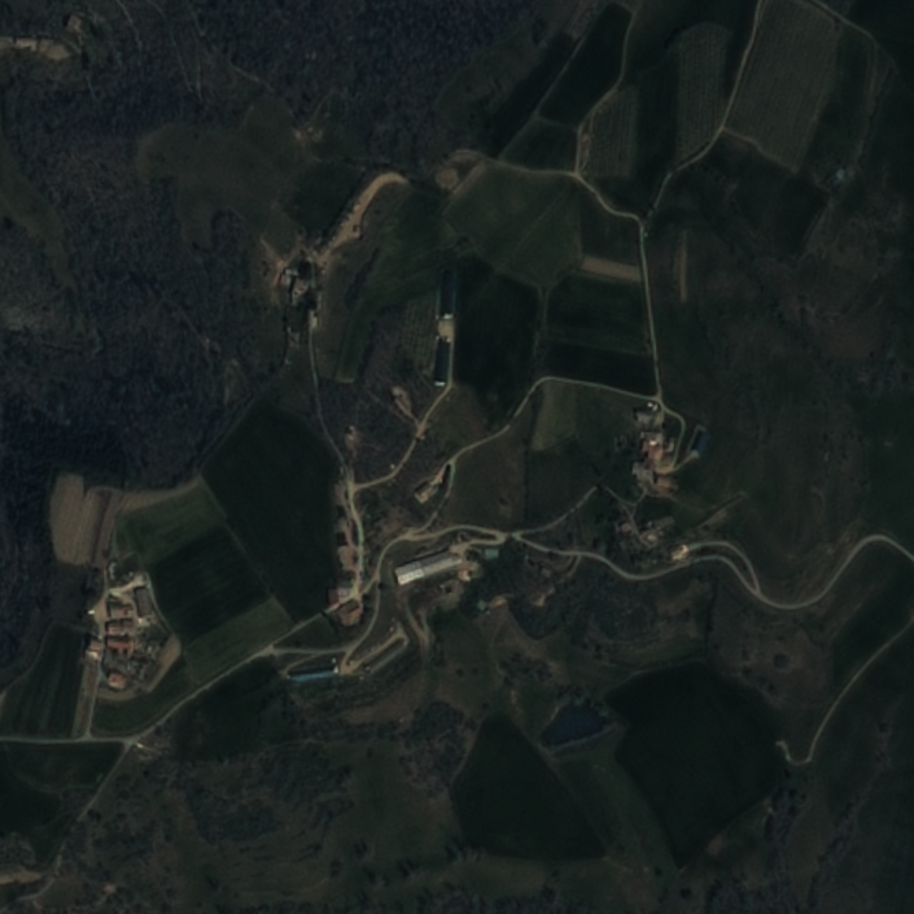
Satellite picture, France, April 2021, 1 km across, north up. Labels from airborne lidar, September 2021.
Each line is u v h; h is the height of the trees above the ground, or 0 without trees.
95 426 17
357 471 9
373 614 10
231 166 0
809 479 0
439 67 10
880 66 0
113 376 13
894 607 0
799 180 0
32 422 10
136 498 0
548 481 0
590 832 0
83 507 0
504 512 0
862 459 0
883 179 0
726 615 0
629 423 0
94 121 8
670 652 0
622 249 0
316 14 22
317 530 0
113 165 7
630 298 0
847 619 0
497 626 0
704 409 0
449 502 8
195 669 0
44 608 10
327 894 0
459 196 0
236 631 0
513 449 0
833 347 0
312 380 0
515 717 0
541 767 0
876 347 0
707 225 0
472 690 0
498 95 6
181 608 0
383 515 7
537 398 9
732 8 0
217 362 8
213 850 0
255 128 0
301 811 0
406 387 11
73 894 0
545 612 9
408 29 7
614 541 7
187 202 0
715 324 0
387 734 10
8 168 0
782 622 0
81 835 12
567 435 0
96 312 17
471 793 0
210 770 0
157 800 0
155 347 7
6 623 9
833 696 0
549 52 0
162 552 0
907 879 0
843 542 0
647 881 0
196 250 8
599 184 0
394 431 10
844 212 0
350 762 0
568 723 0
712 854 0
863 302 0
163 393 8
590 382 0
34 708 0
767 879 9
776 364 0
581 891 0
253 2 17
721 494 0
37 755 0
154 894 0
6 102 17
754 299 0
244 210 0
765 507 0
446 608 0
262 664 0
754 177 0
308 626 0
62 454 21
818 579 0
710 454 0
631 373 0
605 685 0
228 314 11
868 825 0
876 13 0
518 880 0
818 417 0
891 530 0
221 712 0
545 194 0
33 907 7
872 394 11
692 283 0
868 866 0
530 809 0
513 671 11
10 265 10
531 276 0
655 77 0
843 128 0
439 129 11
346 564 0
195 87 7
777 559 0
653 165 0
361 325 0
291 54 17
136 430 10
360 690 5
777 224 0
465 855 27
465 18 14
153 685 0
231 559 0
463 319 0
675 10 0
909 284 0
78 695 0
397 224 0
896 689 0
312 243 8
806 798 8
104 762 0
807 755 0
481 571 11
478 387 0
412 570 0
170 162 0
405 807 0
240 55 12
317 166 0
